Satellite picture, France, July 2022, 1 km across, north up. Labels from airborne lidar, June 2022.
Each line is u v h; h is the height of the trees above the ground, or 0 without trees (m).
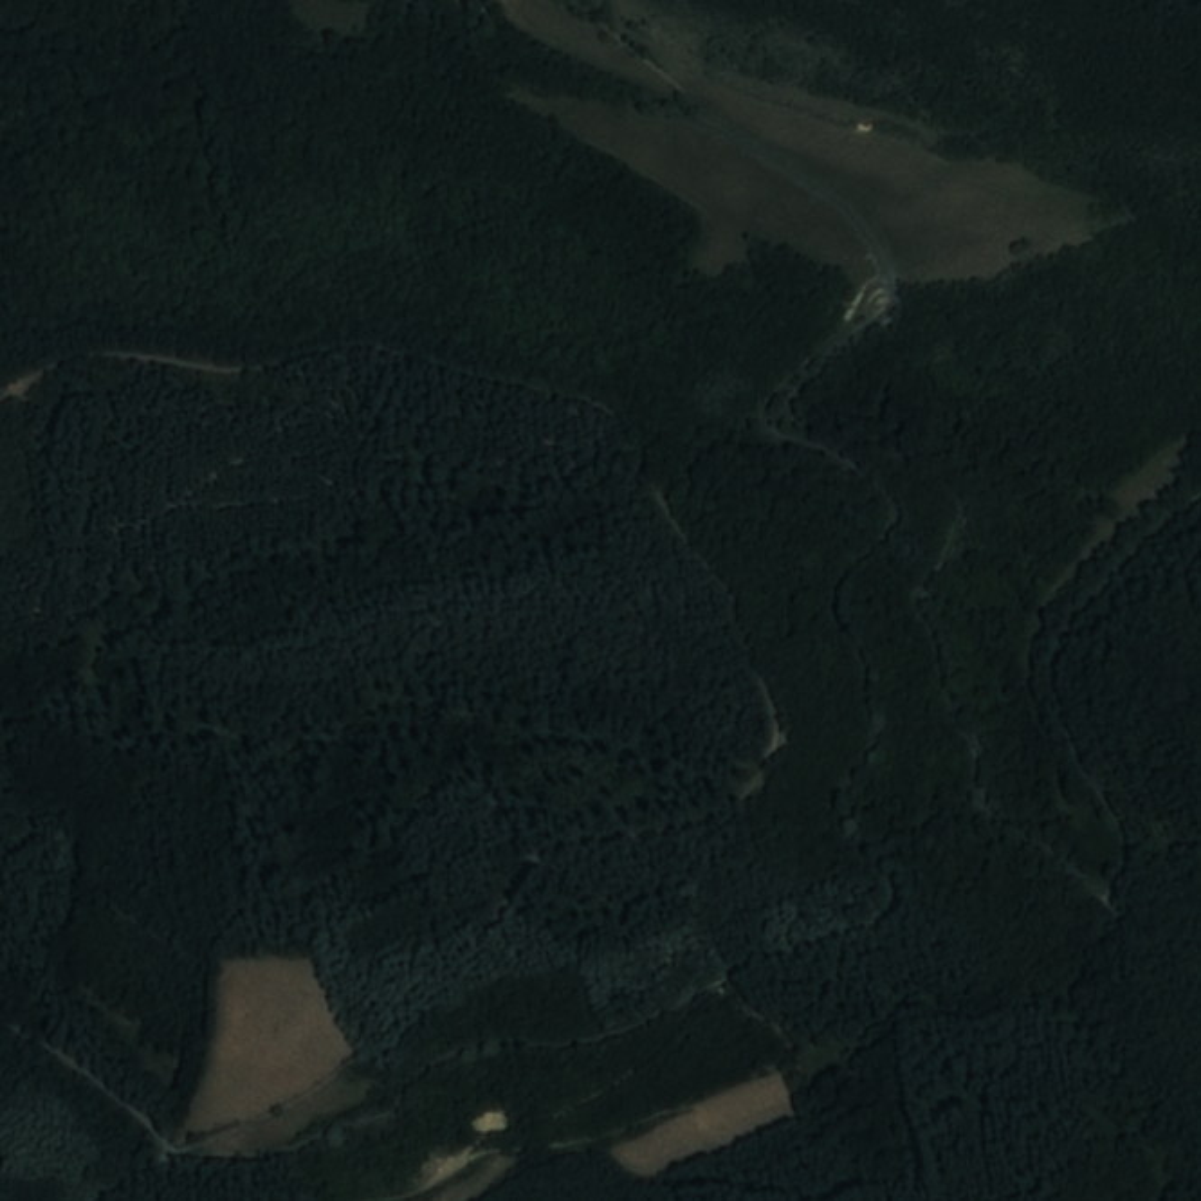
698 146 0
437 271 15
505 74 13
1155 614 20
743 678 17
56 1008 31
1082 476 22
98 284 9
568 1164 16
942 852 23
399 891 14
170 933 15
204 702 18
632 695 19
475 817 20
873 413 15
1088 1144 15
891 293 0
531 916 27
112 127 14
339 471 23
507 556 6
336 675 9
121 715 10
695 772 27
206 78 21
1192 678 17
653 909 28
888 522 13
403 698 6
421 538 35
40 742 23
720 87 0
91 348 11
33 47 21
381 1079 7
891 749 15
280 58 20
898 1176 12
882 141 0
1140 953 22
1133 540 17
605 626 16
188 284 9
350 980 17
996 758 18
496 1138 12
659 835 12
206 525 21
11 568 21
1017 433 18
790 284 13
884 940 36
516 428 18
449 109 11
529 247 11
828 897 26
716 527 13
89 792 21
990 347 15
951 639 15
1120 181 11
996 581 9
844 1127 18
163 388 16
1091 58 13
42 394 7
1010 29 10
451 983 20
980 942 16
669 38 0
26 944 31
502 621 14
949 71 7
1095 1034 24
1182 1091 15
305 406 9
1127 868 14
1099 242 7
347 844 10
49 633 23
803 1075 6
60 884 26
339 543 12
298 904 15
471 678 23
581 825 26
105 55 20
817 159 0
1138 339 18
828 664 16
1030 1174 23
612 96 15
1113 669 20
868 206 0
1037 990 18
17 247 14
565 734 36
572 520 10
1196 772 18
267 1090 0
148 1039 13
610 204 10
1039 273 11
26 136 10
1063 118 12
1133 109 15
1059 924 22
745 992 35
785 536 16
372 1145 11
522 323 12
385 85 16
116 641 13
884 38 12
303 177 12
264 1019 0
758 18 9
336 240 9
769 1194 27
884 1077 18
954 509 19
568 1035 13
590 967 22
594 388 14
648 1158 0
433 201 20
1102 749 9
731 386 16
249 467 17
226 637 7
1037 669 20
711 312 16
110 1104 21
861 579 26
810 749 16
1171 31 21
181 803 11
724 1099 0
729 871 8
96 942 19
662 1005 25
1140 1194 12
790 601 17
